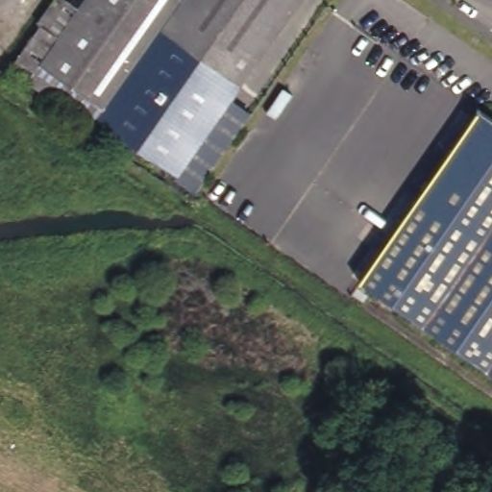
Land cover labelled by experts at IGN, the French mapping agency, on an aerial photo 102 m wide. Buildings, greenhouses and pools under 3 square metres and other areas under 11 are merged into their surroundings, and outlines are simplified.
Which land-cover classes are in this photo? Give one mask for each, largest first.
<instances>
[{"label":"herbaceous vegetation","instance_id":"1","mask_svg":"<svg viewBox=\"0 0 492 492\"><path fill-rule=\"evenodd\" d=\"M54 0H38L37 8L33 10L27 23L21 27L12 46L0 56V77H4L8 67L15 61L37 33L40 17L46 13ZM340 0H323L309 17L302 33L292 42L273 75L279 83H288L292 71L306 56L313 40L323 31V27L332 17V10ZM415 10L427 15L455 38L465 42L469 48L479 52L480 56H486L492 61V42L477 31H473L471 27L463 25L459 19L444 12L438 4L430 0H406ZM96 119L88 111L81 117H71L67 123H61L56 115L35 113L31 110V98L25 104H19L12 96H4L0 92V223L31 219L37 215L58 217L102 209L131 211L136 215L158 219H167L173 215L194 217L188 229L179 231L123 229L0 242V492H277L275 486L281 482L292 486L296 480L306 482L296 459V448L307 429V419L302 409L304 398H288L284 394V382L296 379L311 388L317 377L319 354L325 348L350 350L357 357L371 359L382 367H394L400 361L417 375V384L425 392L423 402L430 409H440L448 417L459 419L457 436L461 434L467 442H475L479 446H492V400L471 388L469 384L459 381L454 373L444 369L429 356H425L421 350L411 346L407 340L390 331L388 327H384L377 319H373L367 311L361 309L359 300L342 298L329 286L306 273V269L288 261L283 252H279L273 246H267L258 236L248 233L236 221L225 217L219 209L213 208V200H209V194L215 190V186H219V183L211 171L206 175L204 183L200 184V192L192 194L177 183L173 175L140 158L138 152H133L125 146L115 156V161H108L98 169L81 165L79 154L83 150H79L77 146L92 133ZM152 263H161L167 269L169 277L179 279L177 290L173 292L169 302L165 306L156 307V315H165L167 321L160 327L165 336V344L169 346V361L161 371L165 382L158 394H152L146 390V381H140L138 375L131 388L123 386L121 390L111 392L102 381L111 373H117L127 359L121 354V348L113 346L111 336L119 327H125L127 331L135 329L142 302H119L115 304V309L106 315H98L94 311V306L96 300L108 296L111 283L115 279L131 281L138 271L150 267ZM213 267L233 271L231 277L221 279L217 283L215 292L208 284L209 273ZM184 340L206 342L208 354L198 363H188L183 354ZM229 404L250 407L252 417L248 421L234 419L227 415ZM231 465L248 467V482L234 484L229 488L223 482V473Z\"/></svg>","mask_w":492,"mask_h":492},{"label":"impervious surface","instance_id":"2","mask_svg":"<svg viewBox=\"0 0 492 492\"><path fill-rule=\"evenodd\" d=\"M38 0H0V56L12 46L21 27L27 23L33 10L37 8ZM234 106L250 115L244 121V127L238 131V135L234 136L231 144L223 150L221 158L213 165L211 171L219 183V186H215V190L209 194V200H213V208L219 209L225 217L236 221L248 233L258 236L267 246H273L279 252H283L288 261L306 269V273L329 286L342 298L359 300L361 309L367 311L373 319H377L384 327H388L390 331L407 340L411 346L421 350L425 356H429L444 369L454 373L459 381L469 384L471 388L492 400V373H482L467 359L446 350L429 332L419 331L404 317V311H388L379 306L377 296H367L363 290H357V284L369 269V265L379 256L382 246L396 231L404 215L421 194V190L427 186L430 177L436 173L448 152L454 148L457 138L465 131L469 121L477 113L488 115L492 119V61L486 56H480L479 52L469 48L465 42L455 38L427 15L415 10L406 0H340L332 10V17L323 27V31L313 40L306 56L292 71L288 83H279L273 75L252 102H242L234 98ZM438 4L444 12L459 19L463 25L471 27L473 31H477L492 42V0H430Z\"/></svg>","mask_w":492,"mask_h":492},{"label":"building","instance_id":"3","mask_svg":"<svg viewBox=\"0 0 492 492\"><path fill-rule=\"evenodd\" d=\"M323 0H54L46 13L40 17L37 33L15 61L17 67L33 75L31 90H44L48 86L61 88L63 92H69L71 98L81 102L88 111L96 119L108 123L111 135L121 140L125 146L133 152H138L140 158L173 175L177 183L192 194L200 192V184L204 183L206 175L211 171L213 165L221 158L223 150L231 144L234 136L238 135V131L244 127V121L250 115L234 106V98L242 102H252L273 75L292 42L302 33L309 17ZM357 290H363L367 296H377L379 306L388 311H404V317L419 331L429 332L446 350L467 359L482 373H492V119L488 115L477 113L469 121L465 131L457 138L454 148L448 152L436 173L430 177L427 186L421 190V194L404 215L396 231L382 246L379 256L369 265V269L357 284Z\"/></svg>","mask_w":492,"mask_h":492},{"label":"deciduous trees","instance_id":"4","mask_svg":"<svg viewBox=\"0 0 492 492\"><path fill-rule=\"evenodd\" d=\"M425 392L417 384V375L400 361L394 367H382L371 359L357 357L350 350L325 348L319 354L317 377L311 388L304 398L302 409L307 419V429L296 448V459L306 482V488L302 492H492V446H479L475 442H467L461 434L457 436L459 419L448 417L440 409H430L423 402Z\"/></svg>","mask_w":492,"mask_h":492},{"label":"brushwood","instance_id":"5","mask_svg":"<svg viewBox=\"0 0 492 492\"><path fill-rule=\"evenodd\" d=\"M33 75L17 67L15 61L8 67L4 77H0V92L4 96H12L19 104H25L31 98V110L35 113L56 115L61 123H67L71 117H81L88 111L81 102L71 98L69 92H63L61 88L48 86L44 90H31ZM79 150H83L79 154L81 165L98 169L108 161H115V156L125 146L121 140L111 135L108 123L96 119L92 133L77 146ZM179 279L169 277L167 269L161 263H152L150 267L138 271L131 281L115 279L111 283L108 296L96 300L94 306V311L98 315H106L115 309V304L119 302H142L135 329L127 331L125 327H119L111 336L113 346L121 348V354L127 359L117 373H111L102 381L111 392L121 390L123 386L131 388L138 375L140 381H146V390L152 394H158L165 382L161 371L169 361V346L165 344V336L160 327L167 321L165 315H156V307L165 306L169 302L173 292L177 290ZM233 271L213 267L209 273L208 284L215 292L217 283L221 279L231 277ZM183 354L188 363H198L208 354L206 342L184 340ZM311 388L296 379L284 382V394L288 398H304ZM227 415L234 419L248 421L252 417L250 407L229 404ZM248 467L231 465L223 473V482L229 488L234 484L248 482ZM306 488V482L296 480L292 486L281 482L275 486L277 492H302Z\"/></svg>","mask_w":492,"mask_h":492},{"label":"water","instance_id":"6","mask_svg":"<svg viewBox=\"0 0 492 492\"><path fill-rule=\"evenodd\" d=\"M194 217L173 215L167 219H158L136 215L131 211L102 209L58 217L37 215L31 219L0 223V242L123 229L179 231L188 229Z\"/></svg>","mask_w":492,"mask_h":492}]
</instances>
